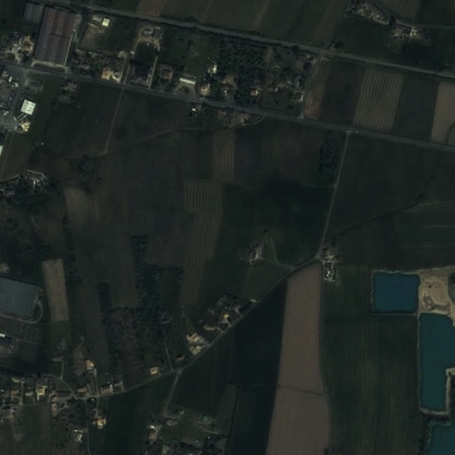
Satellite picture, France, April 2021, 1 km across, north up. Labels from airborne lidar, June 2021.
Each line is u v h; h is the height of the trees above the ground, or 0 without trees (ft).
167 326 25
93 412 32
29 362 0
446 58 0
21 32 0
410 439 0
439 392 0
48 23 0
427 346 0
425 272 0
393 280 0
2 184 33
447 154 0
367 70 0
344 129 0
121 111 0
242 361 0
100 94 0
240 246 0
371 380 0
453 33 0
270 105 0
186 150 0
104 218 0
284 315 0
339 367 0
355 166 0
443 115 0
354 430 0
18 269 0
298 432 0
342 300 0
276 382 0
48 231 0
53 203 0
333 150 44
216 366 0
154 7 0
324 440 0
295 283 0
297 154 0
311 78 0
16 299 0
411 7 0
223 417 0
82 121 0
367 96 0
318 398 0
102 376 0
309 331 0
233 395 0
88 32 0
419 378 0
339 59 0
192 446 19
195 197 0
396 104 0
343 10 0
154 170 0
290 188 0
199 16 0
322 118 0
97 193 0
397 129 0
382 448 0
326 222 0
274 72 23
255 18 0
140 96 0
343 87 0
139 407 0
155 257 0
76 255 0
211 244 0
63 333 0
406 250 0
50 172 0
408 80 0
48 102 0
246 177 0
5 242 0
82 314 0
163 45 24
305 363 0
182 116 0
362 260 0
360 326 0
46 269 0
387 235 0
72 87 0
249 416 0
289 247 0
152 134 0
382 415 0
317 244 0
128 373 0
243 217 0
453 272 0
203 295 0
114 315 43
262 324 0
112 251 0
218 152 0
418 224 0
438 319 0
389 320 0
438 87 0
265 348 0
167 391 0
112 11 0
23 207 0
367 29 0
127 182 0
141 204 0
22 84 0
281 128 0
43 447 0
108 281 0
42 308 0
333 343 0
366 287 0
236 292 0
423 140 0
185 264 0
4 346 0
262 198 0
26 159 0
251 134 0
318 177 0
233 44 27
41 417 0
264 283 0
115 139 0
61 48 0
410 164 0
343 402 0
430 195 0
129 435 0
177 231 0
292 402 0
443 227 0
